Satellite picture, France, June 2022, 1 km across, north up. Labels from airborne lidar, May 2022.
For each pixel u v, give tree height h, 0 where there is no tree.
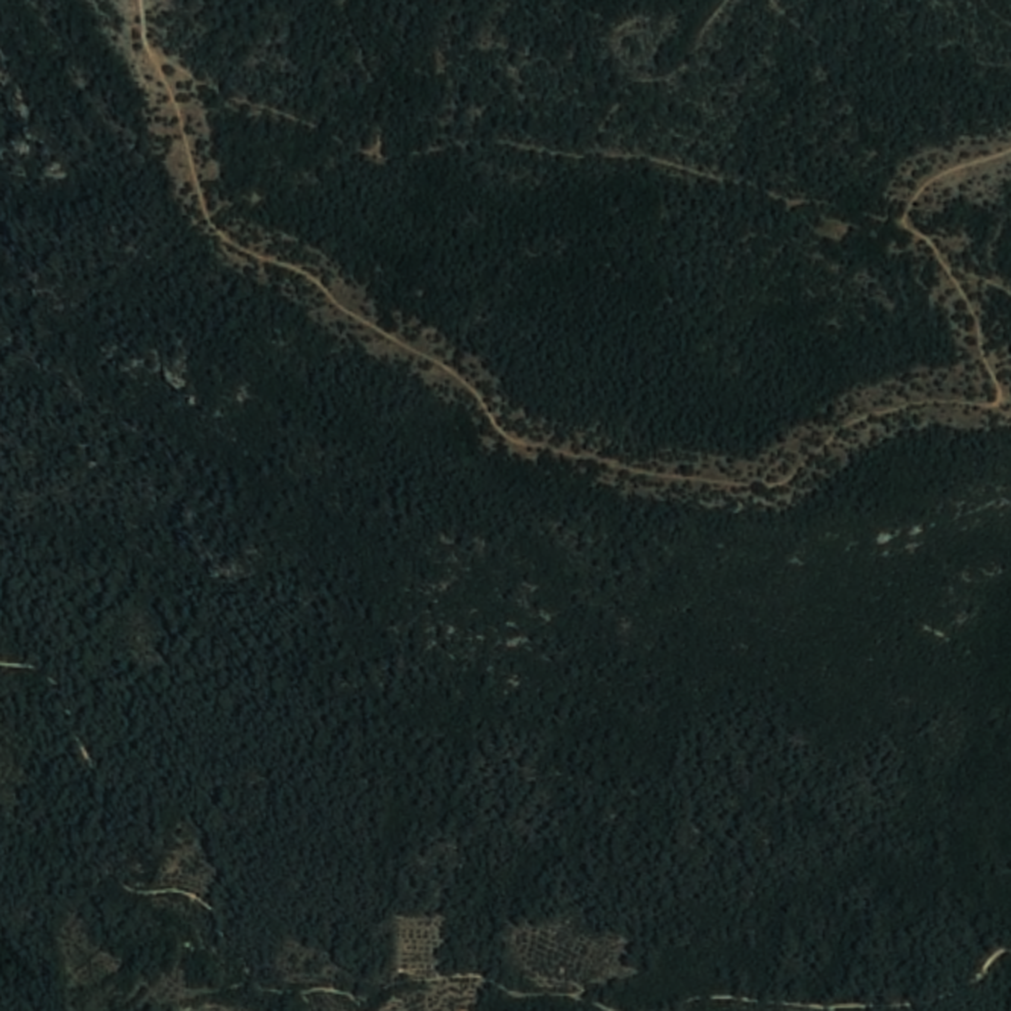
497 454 12
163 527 8
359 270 12
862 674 6
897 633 7
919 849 17
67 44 6
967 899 12
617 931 20
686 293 16
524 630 12
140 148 12
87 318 8
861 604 7
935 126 12
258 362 8
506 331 17
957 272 8
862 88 10
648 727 8
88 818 23
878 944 20
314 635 10
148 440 8
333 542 14
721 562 14
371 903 19
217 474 18
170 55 9
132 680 18
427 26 14
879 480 10
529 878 11
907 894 11
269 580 7
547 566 7
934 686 7
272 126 15
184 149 0
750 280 9
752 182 13
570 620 6
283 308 14
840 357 12
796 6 7
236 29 14
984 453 14
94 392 7
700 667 9
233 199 13
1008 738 11
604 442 7
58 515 19
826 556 7
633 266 15
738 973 18
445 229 8
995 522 7
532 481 14
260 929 17
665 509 15
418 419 8
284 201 14
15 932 19
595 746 21
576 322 13
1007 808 11
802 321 7
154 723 22
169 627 18
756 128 15
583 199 13
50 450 15
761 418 17
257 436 7
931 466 7
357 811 17
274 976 19
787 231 7
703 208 13
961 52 12
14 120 10
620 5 12
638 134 6
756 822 18
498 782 20
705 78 6
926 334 9
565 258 13
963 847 11
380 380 10
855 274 11
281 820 22
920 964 9
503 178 11
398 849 10
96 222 6
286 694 22
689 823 22
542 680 8
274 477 7
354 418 10
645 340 16
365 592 7
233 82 10
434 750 16
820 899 9
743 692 9
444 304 14
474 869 6
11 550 8
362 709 15
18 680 5
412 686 9
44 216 8
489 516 7
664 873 22
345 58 13
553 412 14
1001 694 11
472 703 9
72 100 12
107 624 19
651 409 14
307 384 8
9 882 19
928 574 7
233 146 8
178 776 21
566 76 8
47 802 19
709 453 12
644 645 6
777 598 6
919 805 8
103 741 23
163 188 8
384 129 12
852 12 12
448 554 6
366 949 20
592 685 8
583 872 6
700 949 10
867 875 11
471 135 9
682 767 16
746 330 7
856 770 17
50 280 7
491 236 13
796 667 6
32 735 14
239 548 10
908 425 9
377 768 10
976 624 8
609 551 14
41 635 23
